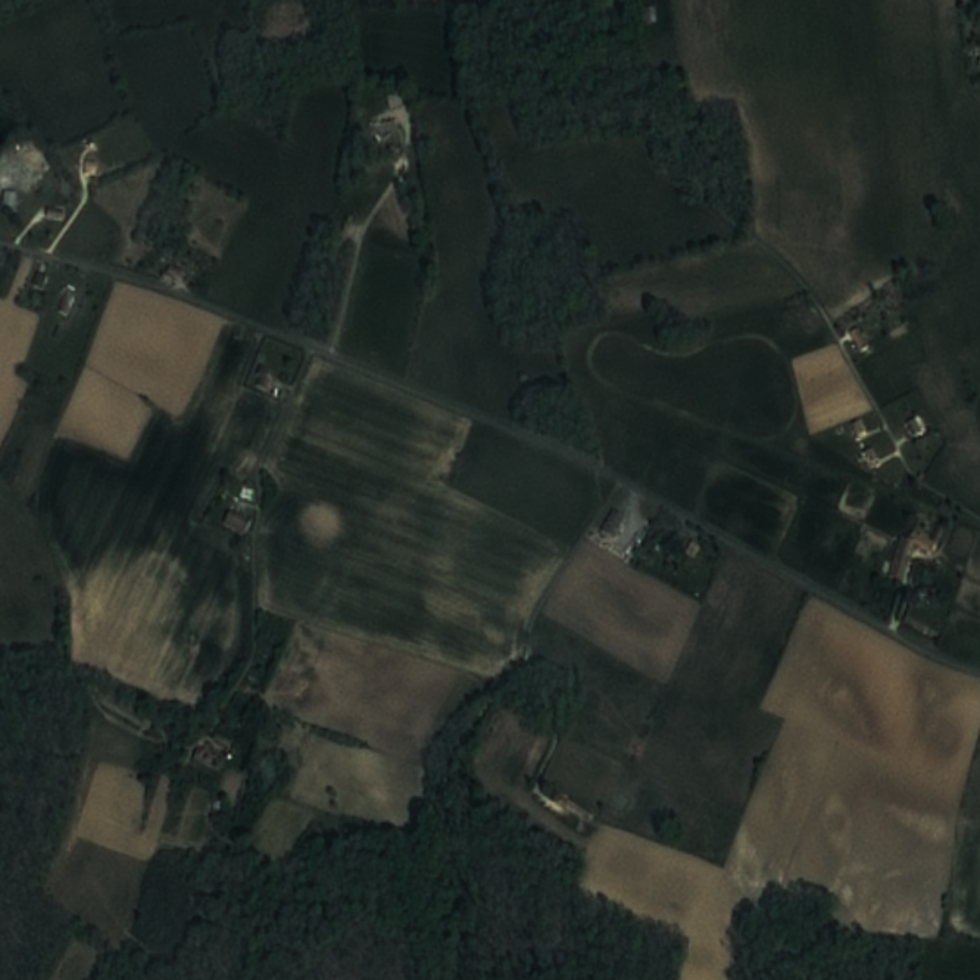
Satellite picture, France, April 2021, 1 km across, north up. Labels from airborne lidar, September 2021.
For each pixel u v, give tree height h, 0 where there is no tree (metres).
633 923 16
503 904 23
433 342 0
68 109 0
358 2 14
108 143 0
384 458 0
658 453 0
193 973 16
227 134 0
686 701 0
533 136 20
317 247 15
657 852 0
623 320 0
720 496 0
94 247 0
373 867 27
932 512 0
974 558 0
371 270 0
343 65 26
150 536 0
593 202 0
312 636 0
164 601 0
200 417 0
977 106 0
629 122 21
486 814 23
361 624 0
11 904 18
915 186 0
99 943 16
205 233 0
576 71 26
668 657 0
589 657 0
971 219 0
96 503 0
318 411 0
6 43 0
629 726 0
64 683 18
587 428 21
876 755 0
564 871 16
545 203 0
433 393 0
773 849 0
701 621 0
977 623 0
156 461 0
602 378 0
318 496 0
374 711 0
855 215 0
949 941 10
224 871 14
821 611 0
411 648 0
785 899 19
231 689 6
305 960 20
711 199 17
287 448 0
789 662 0
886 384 0
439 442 0
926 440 7
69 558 0
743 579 0
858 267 0
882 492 0
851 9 0
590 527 0
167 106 0
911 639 0
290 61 20
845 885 0
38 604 0
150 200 9
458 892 17
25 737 21
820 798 0
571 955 13
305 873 11
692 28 0
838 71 0
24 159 0
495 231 0
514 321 21
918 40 0
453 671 0
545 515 0
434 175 0
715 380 0
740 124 22
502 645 0
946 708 0
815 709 0
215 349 0
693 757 0
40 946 18
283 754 9
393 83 18
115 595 0
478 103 16
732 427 0
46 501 0
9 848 19
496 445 0
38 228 0
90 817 0
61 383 10
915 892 0
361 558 0
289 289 0
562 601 0
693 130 22
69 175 11
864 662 0
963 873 0
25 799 15
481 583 0
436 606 0
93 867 0
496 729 0
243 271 0
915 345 0
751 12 0
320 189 0
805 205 0
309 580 0
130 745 0
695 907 0
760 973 23
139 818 0
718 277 0
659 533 7
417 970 20
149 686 0
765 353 0
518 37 26
